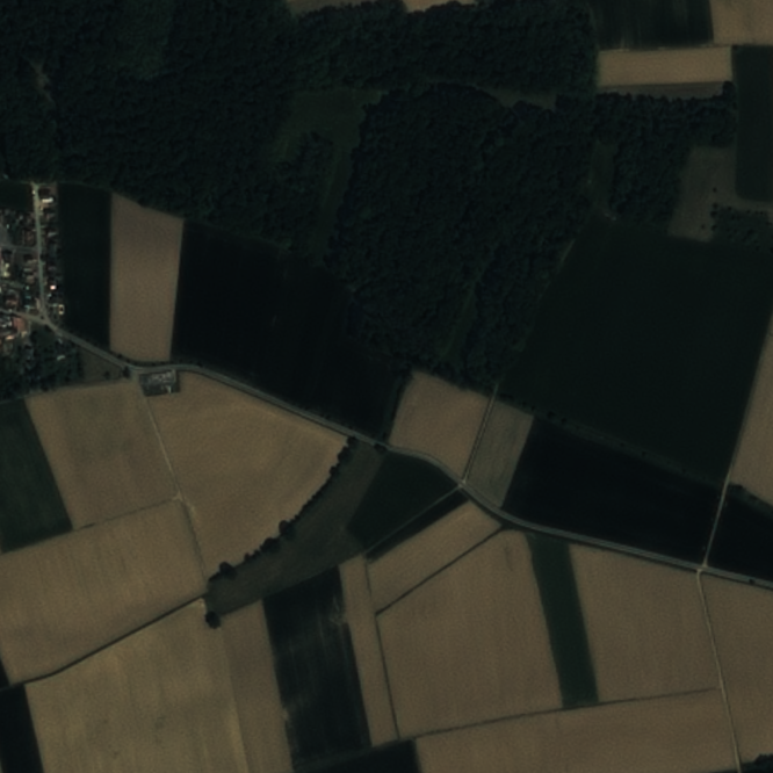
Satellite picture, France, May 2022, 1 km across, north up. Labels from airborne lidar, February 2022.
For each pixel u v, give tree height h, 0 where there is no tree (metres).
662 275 0
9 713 0
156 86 31
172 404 0
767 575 0
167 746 0
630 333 0
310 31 29
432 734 0
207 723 0
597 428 0
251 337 0
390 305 27
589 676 0
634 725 0
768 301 0
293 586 0
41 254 0
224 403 0
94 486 0
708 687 0
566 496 0
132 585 0
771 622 0
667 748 0
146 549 0
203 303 0
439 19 24
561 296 0
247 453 0
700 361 0
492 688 0
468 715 0
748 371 0
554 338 0
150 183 24
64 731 0
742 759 0
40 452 0
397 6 19
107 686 0
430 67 29
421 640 0
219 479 0
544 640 0
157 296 0
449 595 0
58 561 0
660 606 0
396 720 0
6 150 22
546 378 0
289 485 0
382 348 11
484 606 0
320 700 0
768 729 0
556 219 26
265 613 0
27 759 0
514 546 0
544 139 29
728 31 0
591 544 0
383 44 25
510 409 0
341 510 0
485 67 26
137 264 0
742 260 0
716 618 0
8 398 12
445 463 0
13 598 0
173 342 0
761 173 0
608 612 0
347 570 0
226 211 26
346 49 25
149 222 0
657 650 0
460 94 25
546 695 0
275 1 21
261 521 0
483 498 0
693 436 0
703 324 0
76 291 0
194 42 31
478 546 0
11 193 0
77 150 26
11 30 26
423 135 33
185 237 0
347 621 0
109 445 0
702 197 0
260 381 0
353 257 27
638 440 0
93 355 0
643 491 0
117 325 0
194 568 0
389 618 0
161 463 0
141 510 0
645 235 0
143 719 0
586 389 0
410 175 30
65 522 0
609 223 0
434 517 0
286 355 0
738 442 0
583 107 25
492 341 28
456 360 0
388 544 0
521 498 0
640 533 0
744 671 0
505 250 20
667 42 0
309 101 0
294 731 0
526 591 0
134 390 0
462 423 0
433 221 28
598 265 0
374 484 0
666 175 25
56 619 0
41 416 0
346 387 0
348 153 0
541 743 0
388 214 33
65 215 0
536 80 26
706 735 0
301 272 0
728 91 11
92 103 31
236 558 0
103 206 0
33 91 27
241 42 28
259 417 0
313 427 0
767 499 0
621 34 0
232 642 0
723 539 0
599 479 0
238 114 30
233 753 0
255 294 0
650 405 0
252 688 0
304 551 0
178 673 0
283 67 27
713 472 0
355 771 0
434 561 0
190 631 0
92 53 27
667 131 24
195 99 29
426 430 0
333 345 0
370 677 0
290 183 26
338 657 0
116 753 0
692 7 0
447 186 33
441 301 28
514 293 28
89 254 0
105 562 0
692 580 0
